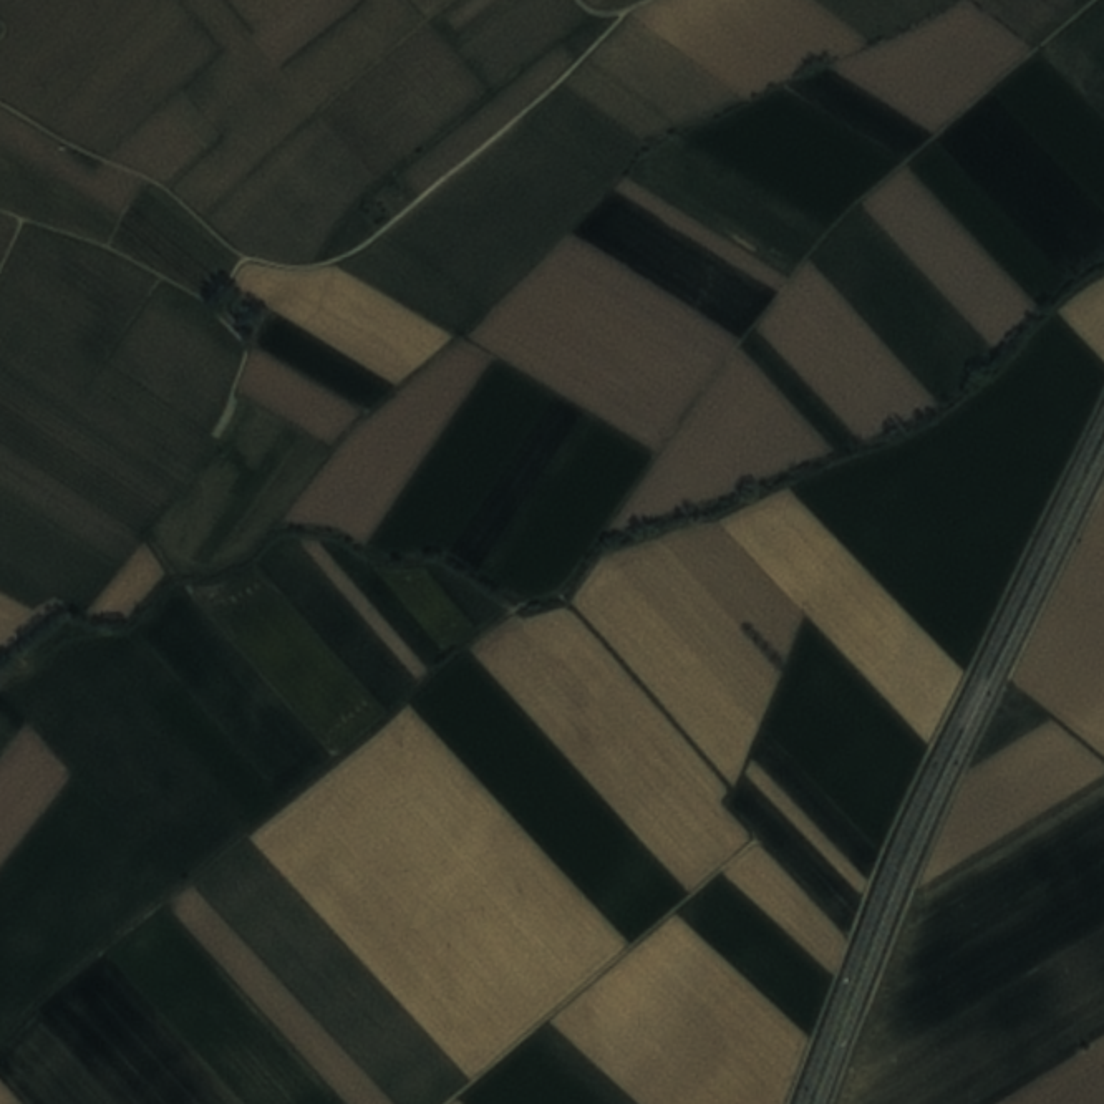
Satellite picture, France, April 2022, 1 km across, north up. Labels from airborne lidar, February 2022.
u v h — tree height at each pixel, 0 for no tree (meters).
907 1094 0
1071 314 0
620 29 0
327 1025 0
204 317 0
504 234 0
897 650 0
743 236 0
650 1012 0
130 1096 0
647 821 0
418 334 0
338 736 0
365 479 0
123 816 0
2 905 0
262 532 0
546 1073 0
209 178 0
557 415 0
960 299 0
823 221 0
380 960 0
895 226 0
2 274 0
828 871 0
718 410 0
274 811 0
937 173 0
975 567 0
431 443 0
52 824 0
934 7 0
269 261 0
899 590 0
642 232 0
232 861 0
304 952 0
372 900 0
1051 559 0
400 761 0
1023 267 0
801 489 0
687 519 16
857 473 0
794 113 0
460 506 0
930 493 0
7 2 0
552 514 0
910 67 0
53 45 0
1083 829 0
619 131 0
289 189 0
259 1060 0
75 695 0
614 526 0
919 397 0
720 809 0
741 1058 0
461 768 0
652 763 0
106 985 0
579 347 0
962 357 0
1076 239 0
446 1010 0
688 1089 0
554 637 0
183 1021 0
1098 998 0
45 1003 0
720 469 0
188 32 0
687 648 0
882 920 0
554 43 0
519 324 0
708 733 0
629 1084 0
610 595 0
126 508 0
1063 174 0
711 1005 0
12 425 0
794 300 0
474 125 0
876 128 0
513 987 0
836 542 0
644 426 0
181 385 0
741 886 0
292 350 0
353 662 0
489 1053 0
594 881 0
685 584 0
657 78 0
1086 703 0
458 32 0
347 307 0
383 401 0
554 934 0
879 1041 0
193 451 0
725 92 0
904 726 0
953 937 0
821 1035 0
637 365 0
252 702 0
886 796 0
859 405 0
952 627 0
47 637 17
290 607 0
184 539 0
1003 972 0
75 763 0
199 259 0
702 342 0
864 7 0
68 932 0
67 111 0
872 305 0
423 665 0
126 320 0
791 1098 0
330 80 0
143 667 0
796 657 0
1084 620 0
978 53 0
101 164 0
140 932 0
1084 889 0
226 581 0
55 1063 0
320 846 0
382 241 0
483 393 0
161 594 0
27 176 0
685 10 0
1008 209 0
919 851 0
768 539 0
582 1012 0
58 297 0
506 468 0
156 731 0
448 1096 0
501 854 0
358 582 0
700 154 0
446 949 0
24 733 0
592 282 0
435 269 0
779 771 0
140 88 0
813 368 0
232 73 0
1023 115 0
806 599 0
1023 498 0
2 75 0
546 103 0
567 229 0
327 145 0
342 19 0
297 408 0
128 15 0
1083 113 0
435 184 0
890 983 0
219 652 0
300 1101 0
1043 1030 0
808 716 0
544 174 0
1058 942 0
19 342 0
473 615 0
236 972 0
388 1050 0
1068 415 0
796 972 0
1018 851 0
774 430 0
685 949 0
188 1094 0
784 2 0
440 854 0
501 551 0
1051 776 0
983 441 0
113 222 0
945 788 0
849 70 0
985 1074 0
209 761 0
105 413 0
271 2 0
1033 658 0
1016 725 0
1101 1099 0
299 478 0
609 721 0
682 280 0
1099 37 0
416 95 0
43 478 0
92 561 0
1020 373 0
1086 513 0
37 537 0
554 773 0
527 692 0
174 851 0
